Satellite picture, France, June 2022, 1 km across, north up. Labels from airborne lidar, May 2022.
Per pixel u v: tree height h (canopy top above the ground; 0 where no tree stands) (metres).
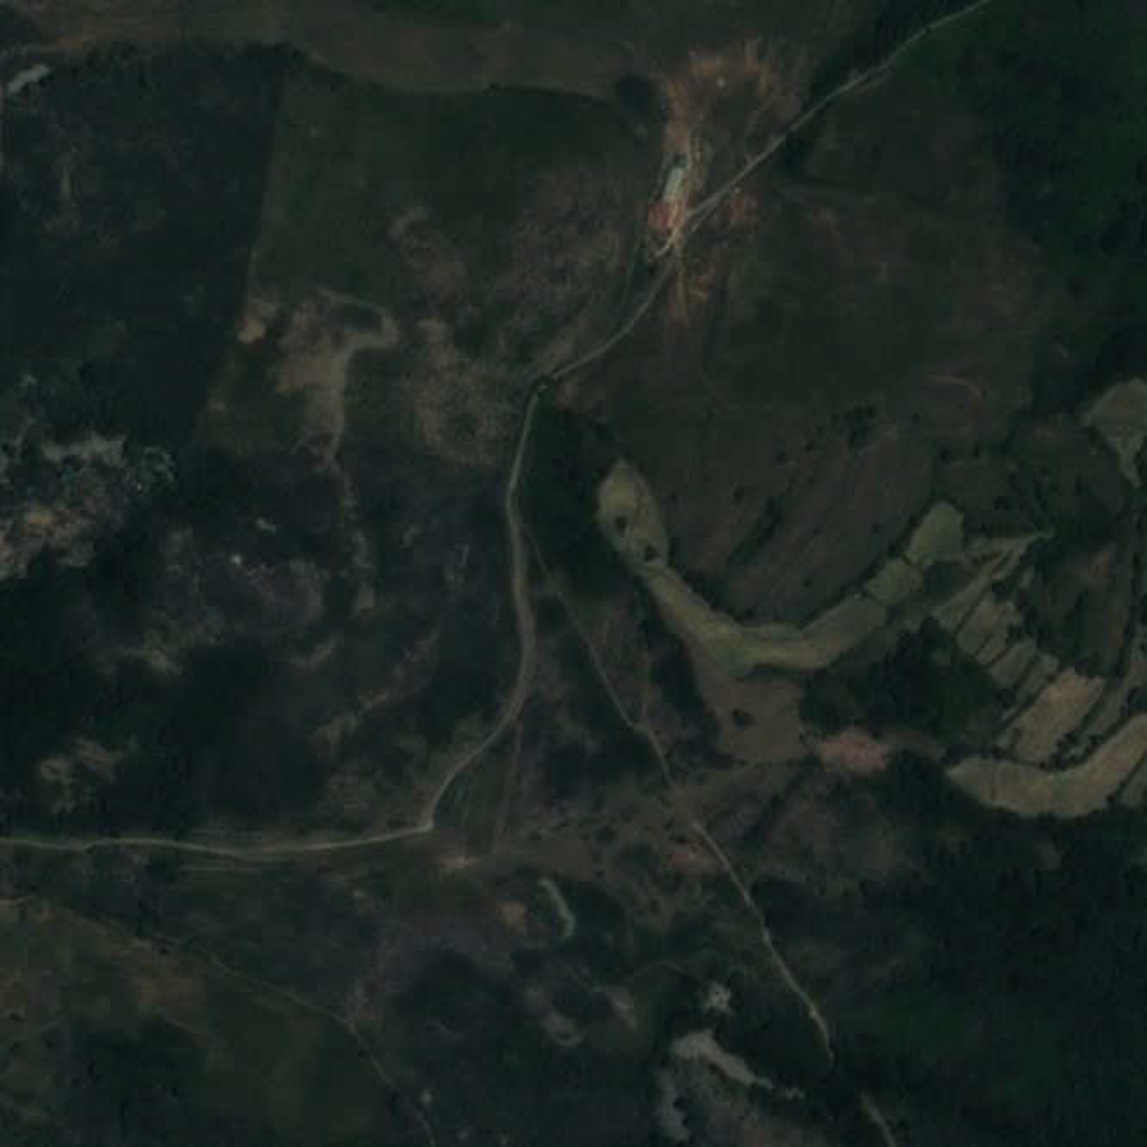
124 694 10
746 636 0
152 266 0
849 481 0
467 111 0
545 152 0
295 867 0
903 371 0
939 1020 0
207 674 6
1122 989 14
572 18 0
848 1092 18
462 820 0
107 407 7
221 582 0
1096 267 0
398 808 0
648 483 0
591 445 0
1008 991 7
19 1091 0
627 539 0
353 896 0
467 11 0
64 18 0
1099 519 7
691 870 0
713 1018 8
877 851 0
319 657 0
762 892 15
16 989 0
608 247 0
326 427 0
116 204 0
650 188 0
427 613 0
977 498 0
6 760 6
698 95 0
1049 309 0
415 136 0
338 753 0
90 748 0
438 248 0
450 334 0
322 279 0
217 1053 0
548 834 0
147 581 8
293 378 0
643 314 0
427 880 0
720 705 0
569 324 0
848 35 0
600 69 0
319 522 9
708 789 0
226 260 0
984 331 0
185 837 8
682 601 0
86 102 0
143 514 7
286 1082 0
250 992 0
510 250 0
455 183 0
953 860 10
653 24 0
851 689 9
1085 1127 16
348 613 0
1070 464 0
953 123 0
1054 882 19
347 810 0
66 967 0
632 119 0
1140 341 21
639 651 0
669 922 0
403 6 0
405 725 0
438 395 0
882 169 0
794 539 0
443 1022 0
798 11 0
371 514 6
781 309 0
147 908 13
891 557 6
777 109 0
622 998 0
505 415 0
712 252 0
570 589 0
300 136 0
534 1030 0
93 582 15
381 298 0
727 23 0
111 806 17
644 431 0
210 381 0
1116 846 8
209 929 0
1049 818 13
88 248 0
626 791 0
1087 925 20
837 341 0
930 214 0
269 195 0
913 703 15
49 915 0
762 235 0
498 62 0
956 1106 7
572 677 0
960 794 15
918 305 0
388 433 0
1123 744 0
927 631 16
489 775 0
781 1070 15
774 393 0
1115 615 0
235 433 0
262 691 6
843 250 0
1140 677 0
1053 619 10
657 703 0
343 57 0
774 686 0
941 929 8
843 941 0
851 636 0
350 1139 0
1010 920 8
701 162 0
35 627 17
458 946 0
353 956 0
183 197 0
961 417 0
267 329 0
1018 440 9
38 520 0
